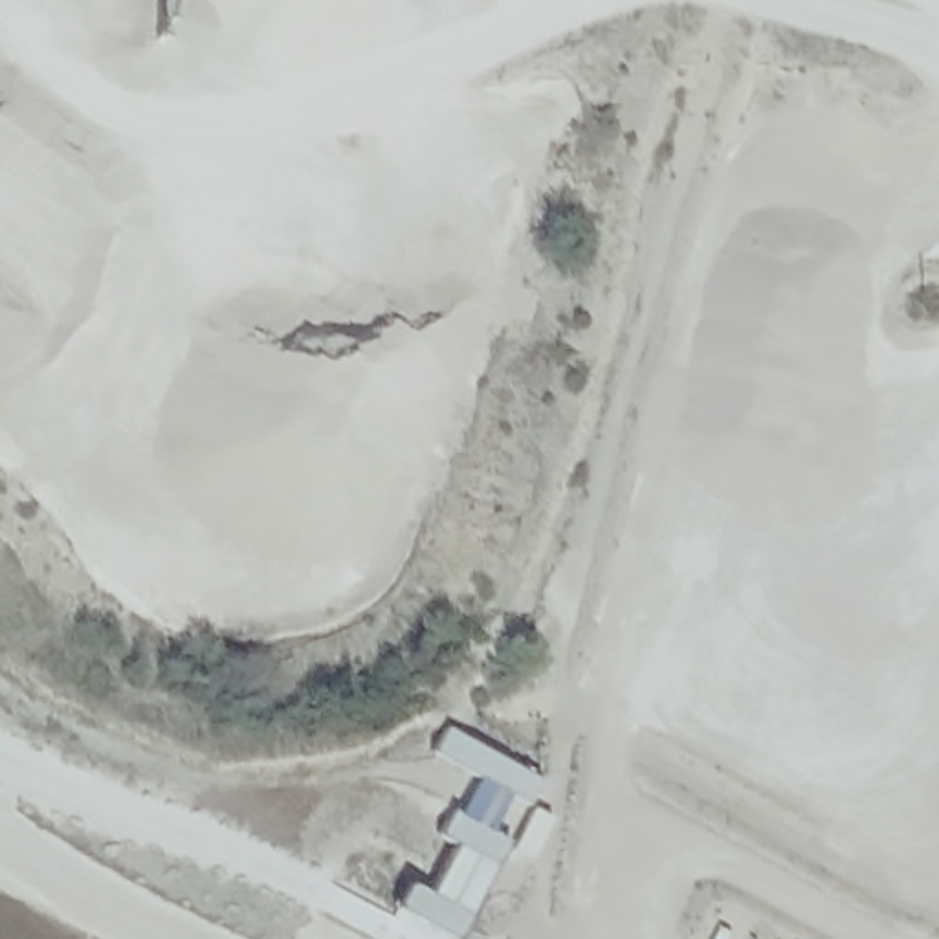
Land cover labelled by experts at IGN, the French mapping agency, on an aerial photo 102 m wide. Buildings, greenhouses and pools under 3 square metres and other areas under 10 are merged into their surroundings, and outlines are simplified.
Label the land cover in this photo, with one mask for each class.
<instances>
[{"label":"pervious surface","instance_id":"1","mask_svg":"<svg viewBox=\"0 0 939 939\"><path fill-rule=\"evenodd\" d=\"M646 4L704 7L701 29L671 51L675 62H686V77L664 73L657 81L646 125L638 128L635 158L624 176V249L609 260L613 297L591 290V297L583 301L591 323L565 341L587 363V385L580 389L576 429L565 451L550 462L547 514L539 536L528 550H517L510 558V565L521 572V587L510 594L517 613L506 624H484L488 635L503 631L510 638L539 631L550 646L547 668L536 679H528L514 697L492 701L488 708V715L499 723H525L532 712L547 719L550 730L539 774L532 781V792L539 800H550L558 829L547 840L543 855L528 866L536 873V888L521 917L514 921V939H939V323L910 319L906 297L917 286L939 290V0H0V473L26 481L40 510L73 539L77 561L88 569V576L103 591H110L121 602V609L139 613L150 624L165 635H180L191 620H209L213 627L231 631L238 638L282 642L348 624L352 616L367 613L396 580L403 558L411 554L422 503L444 488L447 458L458 451L462 433L470 425L477 378L484 374L492 337L510 323H532L536 315V293L521 286V275L536 271L547 260L536 242L532 224H539L543 216V198L561 191V169H550L547 158L569 128L572 117H580L583 110L569 81L517 77L492 88H473L470 77L499 66L503 59L558 40L572 29ZM741 18H770L807 33L869 44L884 55H895V62L884 70L814 66L800 73V59L781 55L774 40L741 37ZM675 88H686V117L679 125L671 154L675 180L649 183L646 176L653 165V150L664 139ZM488 675L455 668L429 712H418L385 734L337 748L216 759L213 752L180 745L143 723L110 715L99 730L88 726L66 756H59L55 748H33V741L22 730L4 726L0 715V891L81 932L84 939H242L172 902H161L139 884L95 866L70 844L40 833L18 814V800H29L51 822H66V814H77L88 836L154 844L172 858L220 866L231 877L282 891L293 902L308 906V924L297 932V939H451L425 917H414L403 902L374 906L334 884L345 873L352 851H381L385 836H370L359 825H352L323 847V866H304L290 851L249 836L231 822H220L216 814L191 811V800L205 789H271L279 785V774L293 767H312V789L378 781L385 789H396L422 814L436 818L455 796H462L470 778H477L466 763L440 748L429 745L433 726H440L444 719L470 723L473 704V690L484 686Z\"/></svg>","mask_w":939,"mask_h":939},{"label":"herbaceous vegetation","instance_id":"2","mask_svg":"<svg viewBox=\"0 0 939 939\"><path fill-rule=\"evenodd\" d=\"M704 7L646 4L572 29L558 40L503 59L499 66L470 77L473 88H492L517 77L569 81L583 110L594 103L616 106L613 147L594 158H580L576 132L569 128L547 158L550 169H561V191L543 198V216L539 224H532L536 242L550 238L554 224L561 216H572L576 205L594 213V264L587 271L561 275L547 260L536 271L521 275V286L536 293V315L532 323H510L492 337L484 374L477 378L470 425L462 433L458 451L447 458L444 488L422 503L411 554L403 558L396 580L367 613L352 616L348 624L282 642L293 649V657L282 664V671L301 682L319 664H370L385 642H400L411 631L418 609L429 598L440 594L451 598L458 613L481 616L484 624H506L517 613L510 594L521 587V572L510 565V558L517 550H528L539 536L547 514L550 462L565 451L576 429L580 389L587 385V363L565 341L591 323L583 301L591 297V290L613 297L609 260L624 249V176L635 158L638 128L646 125L657 81L664 73L686 77V62H675L671 51L701 29ZM741 37L774 40L781 55L800 59V73L814 66L884 70L895 62V55H884L869 44L807 33L770 18H741ZM686 117V88H675L664 139L653 150V165L646 176L649 183L675 180L671 154L679 125ZM73 620L103 631H114L121 624L125 638H136V631L150 624L139 613L121 609V602L110 591H103L88 576V569L77 561L73 539L40 510L26 481L0 473V715L4 726L22 730L33 741V748H55L59 756H66L88 726L99 730L110 715L143 723L180 745L213 752L216 759L337 748L323 734L301 737L279 719L260 730L224 726L213 734L205 708L161 690L125 682L99 704L77 697V690L70 686H51L48 671L26 664L29 649L62 638ZM550 730L547 719L532 712L525 723H499L488 715V708L473 704L470 723L444 719L440 726H433L429 745L440 748L447 734H466L484 748L506 756L510 763L539 774ZM312 767H293L279 774V785L271 789H205L191 800V811L216 814L220 822H231L249 836L290 851L304 866H323V847L352 825H359L370 836H385L381 851H352L345 873L334 884L374 906L403 902L418 884L440 888L458 855L451 844V829H436V818L422 814L396 789H385L378 781L312 789ZM18 814L40 833L70 844L95 866L139 884L161 902H172L242 939H297V932L308 924V906L293 902L282 891L231 877L220 866L172 858L154 844L88 836L77 814H66V822H51L29 800H18ZM536 888V873L528 866L517 888L488 884L481 906L473 910V924L462 939H514V921L521 917ZM0 939H84L81 932L0 891Z\"/></svg>","mask_w":939,"mask_h":939},{"label":"deciduous trees","instance_id":"3","mask_svg":"<svg viewBox=\"0 0 939 939\"><path fill-rule=\"evenodd\" d=\"M547 260L561 275L587 271L594 264V213L576 205L572 216H561L554 224L550 238L536 242ZM187 642L183 657L172 664H158L161 690L205 708L213 734L224 726L260 730L279 719L301 737L323 734L337 748L385 734L418 712H429L455 668L488 675L484 686L473 690V704L488 708L492 701L514 697L528 679H536L547 668L550 646L539 631L510 638L503 631L488 635L484 624L481 616L458 613L451 598L440 594L429 598L418 609L411 631L400 642H385L370 664H319L301 682L282 671V664L293 657V649L282 642L238 638L231 631L213 627L209 620H191L180 635Z\"/></svg>","mask_w":939,"mask_h":939},{"label":"building","instance_id":"4","mask_svg":"<svg viewBox=\"0 0 939 939\"><path fill-rule=\"evenodd\" d=\"M440 748L466 763L477 778H470L462 796H455L436 818V829H451V844L458 855L440 888L418 884L403 902L414 917H425L451 939H462L473 924V910L481 906L488 884L517 888L528 866L543 855L547 840L558 829L550 800H539L532 792V781L539 774L510 763L506 756L484 748L466 734H447Z\"/></svg>","mask_w":939,"mask_h":939},{"label":"brushwood","instance_id":"5","mask_svg":"<svg viewBox=\"0 0 939 939\"><path fill-rule=\"evenodd\" d=\"M569 128L576 132L580 158H594L613 147L616 106L594 103L583 110L580 117H572ZM910 319L939 323V290L917 286L906 297ZM187 642L180 635H165L150 624L136 631V638H125L121 624L114 631H103L73 620L62 638L29 649L26 664L48 671L51 686H70L77 690V697L99 704L125 682L161 690L158 664H172L183 657Z\"/></svg>","mask_w":939,"mask_h":939}]
</instances>
